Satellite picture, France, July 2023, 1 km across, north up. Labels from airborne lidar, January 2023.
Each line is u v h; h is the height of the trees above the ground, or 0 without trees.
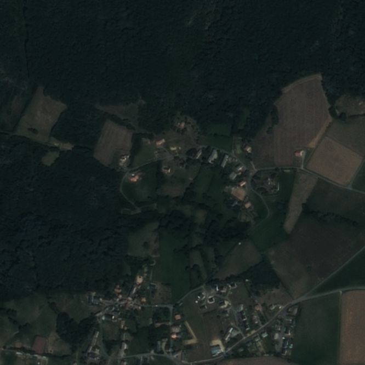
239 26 22
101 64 24
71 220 25
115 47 21
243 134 16
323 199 0
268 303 0
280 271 0
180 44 14
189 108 18
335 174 0
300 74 20
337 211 0
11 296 21
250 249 0
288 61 18
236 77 22
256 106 12
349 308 0
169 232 17
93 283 27
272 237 0
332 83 25
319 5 25
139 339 0
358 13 24
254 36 20
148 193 0
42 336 0
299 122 0
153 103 10
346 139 0
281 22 21
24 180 15
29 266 28
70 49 26
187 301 0
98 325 6
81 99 11
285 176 0
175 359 0
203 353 0
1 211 27
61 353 0
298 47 21
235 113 18
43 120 0
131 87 18
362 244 0
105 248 36
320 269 0
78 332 14
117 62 24
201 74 26
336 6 19
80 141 14
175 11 20
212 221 0
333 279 0
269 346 0
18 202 18
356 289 0
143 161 0
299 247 0
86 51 23
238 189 0
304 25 20
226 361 0
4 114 0
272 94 7
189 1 15
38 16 22
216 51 27
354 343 0
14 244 22
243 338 0
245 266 0
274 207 0
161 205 0
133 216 7
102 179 15
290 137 0
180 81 24
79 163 17
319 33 19
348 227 0
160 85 16
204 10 15
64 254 27
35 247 24
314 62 18
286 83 10
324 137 0
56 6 26
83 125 12
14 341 0
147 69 21
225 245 0
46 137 0
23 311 0
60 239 25
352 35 29
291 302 0
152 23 23
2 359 0
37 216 10
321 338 0
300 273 0
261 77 19
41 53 27
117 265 33
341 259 0
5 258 35
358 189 0
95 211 19
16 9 23
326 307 0
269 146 0
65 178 18
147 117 8
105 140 0
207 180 0
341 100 0
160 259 0
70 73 26
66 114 13
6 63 11
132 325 0
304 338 0
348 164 0
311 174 0
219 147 0
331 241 0
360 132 0
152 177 0
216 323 0
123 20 22
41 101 0
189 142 0
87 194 13
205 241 7
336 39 19
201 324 0
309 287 0
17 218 8
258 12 22
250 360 0
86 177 16
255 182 13
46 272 21
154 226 0
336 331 0
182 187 0
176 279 0
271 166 0
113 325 0
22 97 0
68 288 18
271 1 23
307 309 0
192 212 0
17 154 30
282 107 0
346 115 14
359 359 0
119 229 21
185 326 0
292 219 0
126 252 26
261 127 11
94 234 33
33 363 0
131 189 0
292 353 0
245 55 22
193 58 23
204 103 28
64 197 19
